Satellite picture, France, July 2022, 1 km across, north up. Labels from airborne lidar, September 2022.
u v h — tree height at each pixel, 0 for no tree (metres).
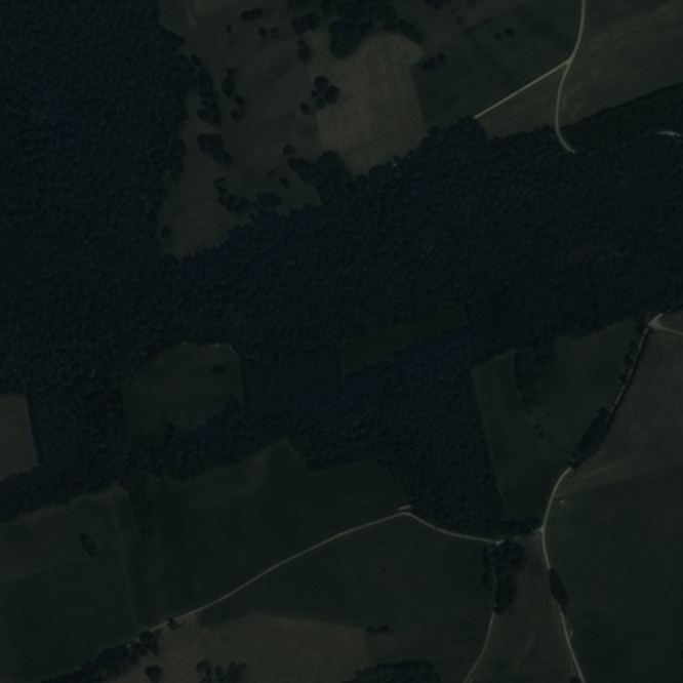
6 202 19
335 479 0
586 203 25
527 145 31
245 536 0
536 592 0
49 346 29
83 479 21
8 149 20
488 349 8
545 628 0
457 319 0
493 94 0
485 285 28
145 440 7
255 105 0
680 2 0
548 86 0
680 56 0
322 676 0
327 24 0
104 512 0
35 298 29
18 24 29
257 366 24
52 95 30
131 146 32
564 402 0
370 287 26
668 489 0
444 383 9
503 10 0
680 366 0
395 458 13
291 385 19
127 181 21
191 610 0
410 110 0
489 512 15
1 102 9
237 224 0
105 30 39
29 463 0
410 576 0
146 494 17
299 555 0
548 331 20
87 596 0
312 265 29
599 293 17
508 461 0
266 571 0
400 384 12
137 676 0
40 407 28
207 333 17
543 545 0
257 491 0
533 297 20
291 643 0
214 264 28
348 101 0
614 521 0
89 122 33
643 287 24
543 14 0
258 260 30
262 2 0
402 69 0
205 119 9
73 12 37
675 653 0
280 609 0
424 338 0
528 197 28
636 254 30
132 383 0
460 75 0
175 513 0
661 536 0
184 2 0
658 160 23
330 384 19
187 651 0
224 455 27
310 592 0
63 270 28
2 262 28
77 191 29
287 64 0
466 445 15
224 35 0
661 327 0
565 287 12
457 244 21
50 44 36
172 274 23
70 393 26
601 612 0
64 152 33
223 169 0
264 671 0
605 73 0
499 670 0
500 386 0
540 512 0
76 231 20
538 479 0
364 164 0
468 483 17
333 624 0
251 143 0
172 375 0
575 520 0
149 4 31
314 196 0
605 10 0
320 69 0
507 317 19
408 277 30
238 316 21
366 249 25
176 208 0
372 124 0
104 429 26
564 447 0
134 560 0
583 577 0
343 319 29
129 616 0
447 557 0
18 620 0
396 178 23
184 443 7
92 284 27
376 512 0
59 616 0
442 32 0
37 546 0
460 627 0
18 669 0
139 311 21
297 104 0
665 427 0
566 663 0
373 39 0
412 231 28
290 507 0
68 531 0
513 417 0
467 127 20
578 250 18
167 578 0
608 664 0
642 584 0
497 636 0
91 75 32
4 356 30
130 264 21
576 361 0
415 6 0
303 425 26
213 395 0
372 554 0
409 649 0
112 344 11
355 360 0
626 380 15
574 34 0
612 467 0
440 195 29
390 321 30
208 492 0
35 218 21
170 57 27
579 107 0
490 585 18
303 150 0
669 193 22
